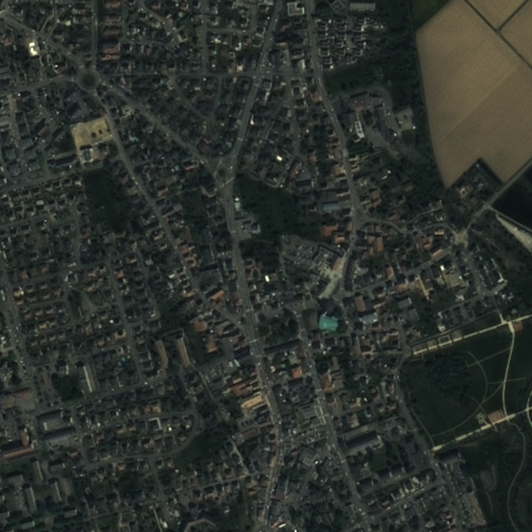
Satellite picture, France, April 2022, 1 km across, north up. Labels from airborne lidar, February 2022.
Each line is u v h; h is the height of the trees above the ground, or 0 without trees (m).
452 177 0
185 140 8
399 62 0
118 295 0
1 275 16
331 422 0
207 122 0
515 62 0
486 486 0
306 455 0
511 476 0
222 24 0
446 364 9
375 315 0
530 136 0
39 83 0
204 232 0
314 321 0
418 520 10
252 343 0
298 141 0
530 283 0
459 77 0
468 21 0
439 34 0
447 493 0
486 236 0
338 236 0
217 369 0
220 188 0
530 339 0
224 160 0
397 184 0
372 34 11
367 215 0
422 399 0
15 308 0
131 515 0
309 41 0
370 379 0
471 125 0
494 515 0
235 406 0
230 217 0
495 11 0
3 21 7
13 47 0
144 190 0
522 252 7
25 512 0
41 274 0
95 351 0
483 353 0
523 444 0
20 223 0
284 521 0
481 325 0
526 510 0
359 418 0
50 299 0
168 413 0
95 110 8
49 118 0
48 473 0
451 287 0
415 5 0
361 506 0
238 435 0
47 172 0
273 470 0
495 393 0
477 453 0
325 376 0
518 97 0
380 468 0
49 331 0
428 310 9
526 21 0
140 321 0
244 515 0
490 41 0
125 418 0
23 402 0
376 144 0
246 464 6
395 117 0
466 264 0
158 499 0
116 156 0
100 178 0
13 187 0
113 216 0
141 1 0
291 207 0
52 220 0
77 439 0
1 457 0
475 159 0
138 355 0
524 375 0
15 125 0
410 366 13
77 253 0
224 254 0
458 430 0
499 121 0
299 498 0
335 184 0
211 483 0
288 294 0
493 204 0
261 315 0
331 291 0
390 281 0
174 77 0
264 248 12
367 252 0
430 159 20
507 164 0
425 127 26
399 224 0
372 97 0
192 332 0
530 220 0
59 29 0
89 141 0
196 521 0
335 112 0
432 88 0
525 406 0
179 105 0
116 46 0
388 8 0
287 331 14
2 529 10
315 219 13
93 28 0
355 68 0
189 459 0
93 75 0
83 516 11
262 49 0
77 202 0
